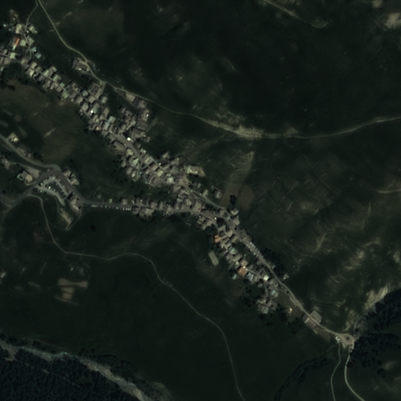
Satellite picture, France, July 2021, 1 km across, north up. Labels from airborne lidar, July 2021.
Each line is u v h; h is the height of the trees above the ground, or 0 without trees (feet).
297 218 0
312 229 0
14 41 0
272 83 0
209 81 0
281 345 0
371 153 0
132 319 0
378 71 0
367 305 0
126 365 40
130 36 0
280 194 0
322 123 0
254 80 0
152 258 0
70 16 0
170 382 0
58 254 0
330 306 0
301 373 41
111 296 0
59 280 0
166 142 0
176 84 0
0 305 0
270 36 0
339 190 0
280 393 22
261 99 0
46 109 0
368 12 0
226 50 0
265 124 0
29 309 0
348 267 0
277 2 0
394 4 0
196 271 0
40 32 0
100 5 0
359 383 0
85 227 0
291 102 0
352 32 0
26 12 0
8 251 0
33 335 0
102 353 0
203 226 0
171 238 0
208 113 0
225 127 0
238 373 0
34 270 0
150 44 0
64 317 0
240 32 0
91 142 0
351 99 0
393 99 0
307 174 0
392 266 0
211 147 0
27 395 49
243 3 0
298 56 0
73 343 0
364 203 0
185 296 0
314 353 0
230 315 0
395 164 0
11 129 0
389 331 0
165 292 0
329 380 0
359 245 0
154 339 0
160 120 0
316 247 0
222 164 0
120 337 0
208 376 0
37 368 83
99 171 0
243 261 0
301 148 0
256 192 0
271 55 0
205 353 0
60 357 0
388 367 0
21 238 0
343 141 0
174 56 0
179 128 0
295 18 0
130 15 0
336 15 0
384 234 0
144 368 0
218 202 0
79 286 0
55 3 0
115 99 0
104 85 0
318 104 0
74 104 0
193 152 0
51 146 0
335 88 0
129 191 0
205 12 0
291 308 0
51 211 0
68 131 0
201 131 0
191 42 0
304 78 0
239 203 0
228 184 0
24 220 0
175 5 0
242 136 0
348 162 0
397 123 0
